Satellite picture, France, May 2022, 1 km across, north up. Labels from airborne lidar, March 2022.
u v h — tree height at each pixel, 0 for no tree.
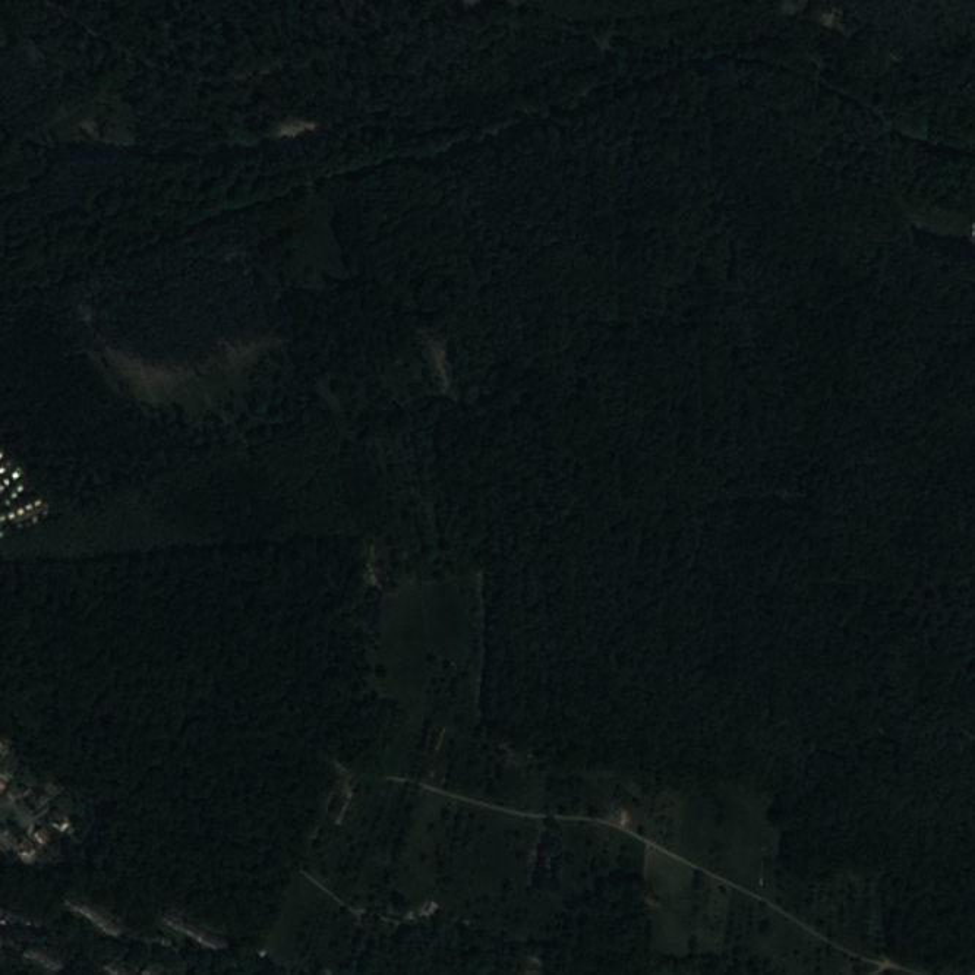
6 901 24
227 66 21
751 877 0
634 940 23
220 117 24
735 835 0
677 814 0
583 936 24
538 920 0
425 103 17
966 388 29
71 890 18
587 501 31
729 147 24
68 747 29
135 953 20
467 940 22
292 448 0
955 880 23
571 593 27
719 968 15
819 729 23
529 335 28
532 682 21
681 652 27
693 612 26
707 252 27
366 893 0
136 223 28
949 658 28
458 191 28
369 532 12
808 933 0
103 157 30
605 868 11
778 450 28
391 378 0
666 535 26
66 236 29
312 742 31
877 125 29
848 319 32
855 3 28
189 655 30
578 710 28
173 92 28
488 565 17
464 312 22
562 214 25
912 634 29
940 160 30
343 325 17
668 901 0
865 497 27
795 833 23
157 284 20
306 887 0
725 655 29
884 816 28
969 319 24
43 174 30
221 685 27
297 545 28
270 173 23
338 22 30
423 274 24
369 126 11
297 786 26
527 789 0
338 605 29
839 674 28
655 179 29
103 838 27
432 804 0
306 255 0
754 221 28
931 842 23
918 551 22
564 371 23
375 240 23
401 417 22
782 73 25
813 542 25
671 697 26
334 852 0
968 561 21
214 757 29
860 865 22
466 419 22
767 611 27
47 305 22
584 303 26
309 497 0
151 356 23
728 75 24
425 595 0
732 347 26
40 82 25
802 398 28
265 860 22
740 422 24
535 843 0
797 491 30
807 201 27
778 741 21
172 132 24
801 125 29
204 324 25
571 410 26
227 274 22
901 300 27
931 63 27
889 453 24
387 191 31
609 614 28
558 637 25
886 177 29
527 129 32
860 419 28
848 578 21
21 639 32
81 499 24
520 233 27
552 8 18
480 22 28
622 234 27
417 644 0
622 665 31
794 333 29
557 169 26
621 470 29
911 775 22
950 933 21
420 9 23
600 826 0
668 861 0
